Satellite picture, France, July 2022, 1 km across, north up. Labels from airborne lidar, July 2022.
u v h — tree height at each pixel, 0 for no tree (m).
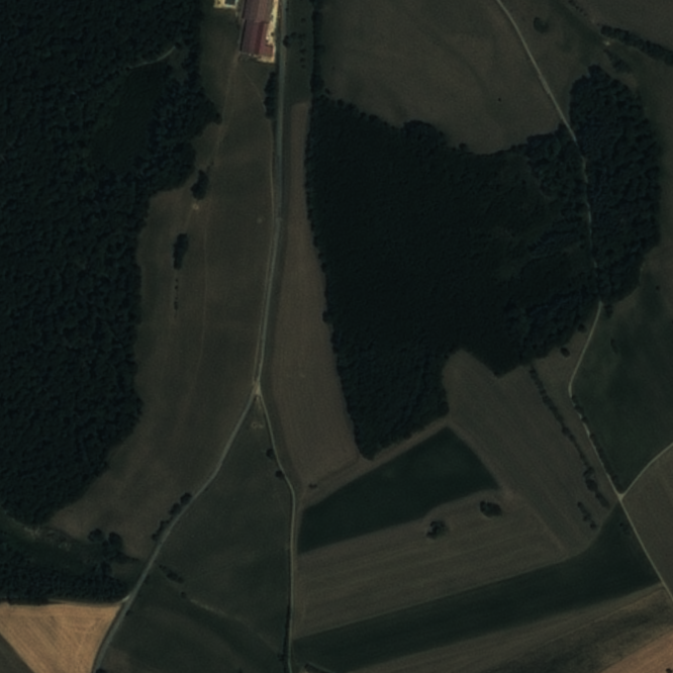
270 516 0
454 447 0
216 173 0
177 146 12
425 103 0
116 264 34
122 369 30
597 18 0
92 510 0
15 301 23
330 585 0
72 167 25
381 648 0
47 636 0
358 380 15
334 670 0
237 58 0
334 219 13
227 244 0
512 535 0
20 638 0
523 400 0
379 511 0
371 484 0
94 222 33
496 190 7
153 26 30
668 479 0
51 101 25
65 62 33
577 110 17
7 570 12
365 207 10
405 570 0
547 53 0
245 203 0
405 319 14
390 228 11
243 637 0
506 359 14
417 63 0
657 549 0
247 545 0
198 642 0
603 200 21
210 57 0
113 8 28
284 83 0
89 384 27
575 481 0
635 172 30
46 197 27
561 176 27
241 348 0
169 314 0
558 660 0
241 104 0
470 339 14
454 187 9
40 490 24
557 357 0
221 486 0
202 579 0
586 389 0
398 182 8
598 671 0
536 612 0
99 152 6
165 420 0
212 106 28
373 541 0
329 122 11
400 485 0
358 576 0
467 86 0
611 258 24
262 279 0
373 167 12
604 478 0
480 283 12
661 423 0
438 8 0
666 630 0
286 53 0
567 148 24
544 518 0
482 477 0
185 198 0
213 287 0
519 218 7
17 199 27
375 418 12
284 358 0
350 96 0
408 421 22
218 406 0
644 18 0
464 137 0
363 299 13
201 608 0
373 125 12
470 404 0
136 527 0
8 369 24
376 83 0
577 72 0
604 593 0
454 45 0
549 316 31
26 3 30
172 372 0
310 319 0
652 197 31
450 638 0
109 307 32
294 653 0
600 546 0
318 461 0
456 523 0
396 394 13
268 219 0
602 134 24
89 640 0
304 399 0
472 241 12
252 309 0
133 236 28
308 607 0
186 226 0
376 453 19
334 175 13
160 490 0
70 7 30
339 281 13
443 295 14
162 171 31
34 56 28
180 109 30
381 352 14
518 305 7
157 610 0
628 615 0
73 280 30
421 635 0
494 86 0
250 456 0
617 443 0
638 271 22
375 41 0
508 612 0
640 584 0
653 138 17
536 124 0
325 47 10
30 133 25
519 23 0
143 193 27
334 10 0
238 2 0
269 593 0
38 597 9
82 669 0
